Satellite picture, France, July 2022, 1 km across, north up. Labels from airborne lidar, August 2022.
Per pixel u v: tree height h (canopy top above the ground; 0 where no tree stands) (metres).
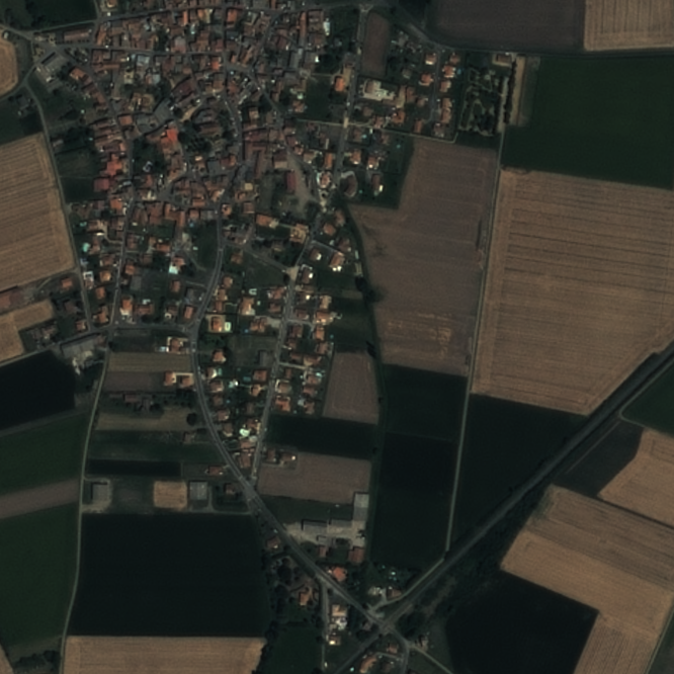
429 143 0
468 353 0
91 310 0
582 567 0
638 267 0
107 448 0
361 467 0
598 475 0
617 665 0
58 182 0
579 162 0
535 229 0
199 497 0
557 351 0
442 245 0
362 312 0
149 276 0
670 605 0
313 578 5
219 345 8
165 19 0
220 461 0
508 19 0
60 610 0
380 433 0
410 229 0
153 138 0
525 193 0
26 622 0
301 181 0
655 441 0
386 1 0
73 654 0
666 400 0
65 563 0
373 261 0
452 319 0
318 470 0
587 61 0
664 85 0
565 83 0
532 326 0
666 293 0
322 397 0
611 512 0
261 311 0
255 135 0
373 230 0
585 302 0
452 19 0
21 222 0
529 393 0
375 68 0
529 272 0
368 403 0
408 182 0
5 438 0
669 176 0
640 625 0
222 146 0
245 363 0
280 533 0
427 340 0
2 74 0
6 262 0
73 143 8
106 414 0
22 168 0
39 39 0
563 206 0
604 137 0
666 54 0
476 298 0
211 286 0
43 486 0
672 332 0
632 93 0
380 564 9
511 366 0
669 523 0
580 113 0
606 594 0
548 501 0
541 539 0
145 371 0
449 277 0
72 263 0
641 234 0
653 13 0
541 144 0
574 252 0
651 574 0
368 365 0
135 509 0
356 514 0
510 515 7
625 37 0
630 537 0
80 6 0
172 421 0
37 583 0
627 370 0
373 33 0
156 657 0
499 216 0
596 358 0
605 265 0
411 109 0
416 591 0
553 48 0
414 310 0
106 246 8
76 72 0
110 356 0
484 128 8
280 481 0
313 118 0
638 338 0
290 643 0
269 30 0
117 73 0
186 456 0
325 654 0
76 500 0
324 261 0
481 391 0
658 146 0
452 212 0
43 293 0
